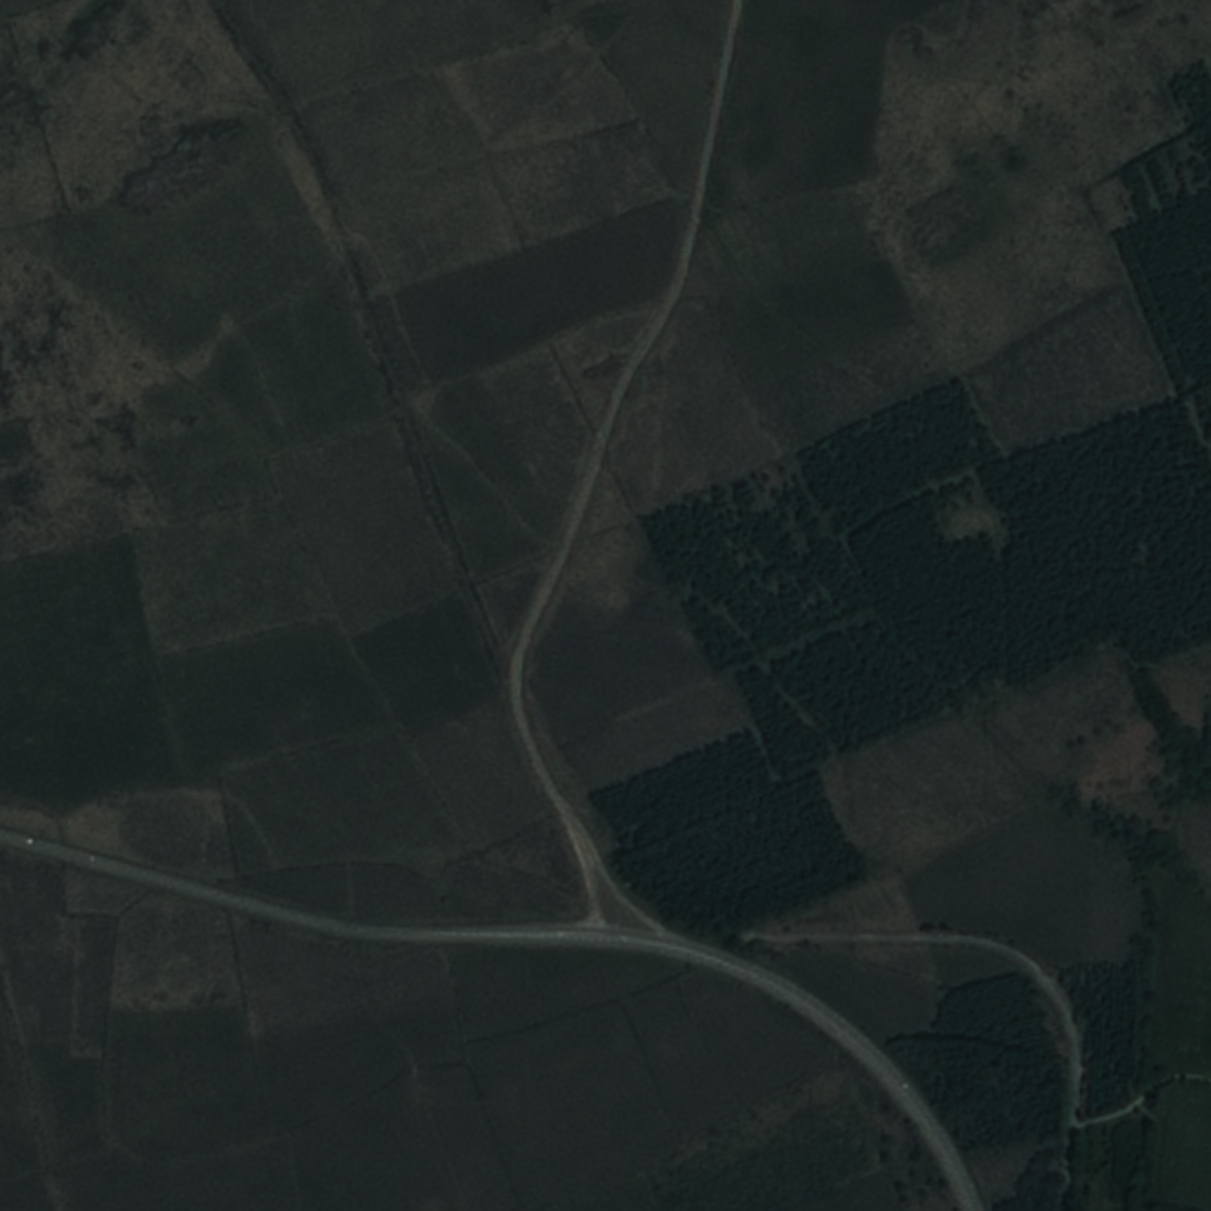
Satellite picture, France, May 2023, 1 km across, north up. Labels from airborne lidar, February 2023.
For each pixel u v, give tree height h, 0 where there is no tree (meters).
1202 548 14
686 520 13
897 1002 0
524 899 0
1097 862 0
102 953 0
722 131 0
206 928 0
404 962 0
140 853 0
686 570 8
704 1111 0
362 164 0
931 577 13
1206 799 10
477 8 0
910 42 0
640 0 0
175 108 0
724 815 10
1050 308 0
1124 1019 13
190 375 0
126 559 0
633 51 0
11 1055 0
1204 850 0
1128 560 14
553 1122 0
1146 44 0
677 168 0
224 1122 0
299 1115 0
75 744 0
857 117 0
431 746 0
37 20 0
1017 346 0
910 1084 0
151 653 0
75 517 0
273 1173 0
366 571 0
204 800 0
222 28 0
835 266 0
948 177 0
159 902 0
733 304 0
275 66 0
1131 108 0
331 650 0
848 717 14
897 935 0
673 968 0
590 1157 0
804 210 0
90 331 0
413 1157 0
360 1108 0
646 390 0
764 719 11
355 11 0
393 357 0
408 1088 0
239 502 0
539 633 0
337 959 0
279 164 0
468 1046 0
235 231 0
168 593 0
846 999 0
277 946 0
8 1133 0
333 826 0
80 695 0
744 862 13
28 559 0
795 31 0
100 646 0
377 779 0
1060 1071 9
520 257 0
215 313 0
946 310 0
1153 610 13
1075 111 0
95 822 0
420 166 0
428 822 0
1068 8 0
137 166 0
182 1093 0
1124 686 0
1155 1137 9
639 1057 0
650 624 0
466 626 0
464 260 0
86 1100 0
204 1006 0
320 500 0
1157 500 15
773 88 0
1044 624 10
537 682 0
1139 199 9
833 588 12
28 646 0
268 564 0
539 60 0
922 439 13
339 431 0
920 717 11
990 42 0
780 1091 0
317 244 0
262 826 0
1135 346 0
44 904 0
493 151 0
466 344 0
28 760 0
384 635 0
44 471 0
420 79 0
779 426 0
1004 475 11
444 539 0
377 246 0
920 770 0
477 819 0
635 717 0
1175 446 13
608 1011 0
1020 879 0
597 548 0
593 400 0
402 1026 0
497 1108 0
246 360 0
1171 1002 0
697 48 0
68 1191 0
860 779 0
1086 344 0
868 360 0
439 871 0
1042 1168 7
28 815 0
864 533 14
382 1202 0
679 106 0
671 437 0
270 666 0
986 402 0
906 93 0
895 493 14
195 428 0
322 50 0
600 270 0
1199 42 0
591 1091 0
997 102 0
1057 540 16
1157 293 10
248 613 0
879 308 0
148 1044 0
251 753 0
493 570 0
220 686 0
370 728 0
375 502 0
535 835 0
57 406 0
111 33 0
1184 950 0
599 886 0
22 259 0
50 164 0
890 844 0
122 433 0
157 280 0
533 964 0
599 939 0
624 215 0
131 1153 0
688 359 0
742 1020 0
